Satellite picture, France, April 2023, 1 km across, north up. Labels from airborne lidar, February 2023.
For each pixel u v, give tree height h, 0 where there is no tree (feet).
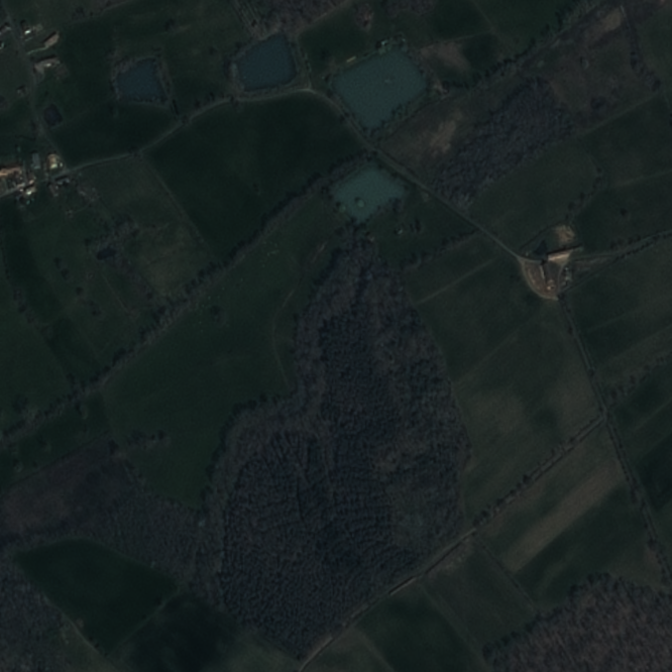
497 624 0
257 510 32
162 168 0
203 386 0
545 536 0
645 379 0
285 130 0
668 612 66
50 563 0
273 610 39
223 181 0
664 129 0
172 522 69
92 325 0
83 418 89
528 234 0
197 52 0
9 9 0
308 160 0
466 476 0
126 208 0
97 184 0
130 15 0
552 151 0
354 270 60
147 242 0
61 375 0
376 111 0
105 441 0
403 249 0
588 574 0
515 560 0
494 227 0
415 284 0
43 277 0
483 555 0
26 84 0
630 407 0
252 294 0
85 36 0
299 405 31
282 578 44
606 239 0
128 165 0
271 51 0
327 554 35
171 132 0
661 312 0
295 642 26
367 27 35
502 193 0
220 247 0
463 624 0
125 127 0
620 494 0
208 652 0
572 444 37
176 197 0
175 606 0
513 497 32
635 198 0
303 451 52
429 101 25
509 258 0
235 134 0
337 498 42
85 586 0
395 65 0
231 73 78
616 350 0
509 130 23
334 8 53
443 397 42
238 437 63
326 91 0
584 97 0
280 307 0
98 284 0
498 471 0
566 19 87
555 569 0
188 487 0
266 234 44
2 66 0
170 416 0
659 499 0
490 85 36
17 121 0
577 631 71
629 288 0
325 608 35
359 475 43
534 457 0
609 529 0
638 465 0
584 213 0
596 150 0
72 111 0
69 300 0
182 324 0
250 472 49
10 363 0
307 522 40
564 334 0
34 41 0
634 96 0
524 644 73
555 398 0
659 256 0
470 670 0
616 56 0
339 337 46
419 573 0
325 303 33
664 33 0
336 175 47
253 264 0
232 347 0
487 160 19
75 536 63
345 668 0
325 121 0
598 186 41
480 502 0
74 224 0
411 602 0
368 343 49
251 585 51
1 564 78
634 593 79
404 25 0
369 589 31
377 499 35
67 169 0
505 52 0
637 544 0
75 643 0
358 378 42
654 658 61
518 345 0
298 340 32
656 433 0
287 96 0
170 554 70
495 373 0
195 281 0
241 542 40
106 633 0
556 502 0
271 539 31
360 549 44
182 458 0
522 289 0
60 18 0
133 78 0
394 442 40
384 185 0
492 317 0
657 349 0
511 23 0
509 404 0
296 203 65
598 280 0
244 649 0
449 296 0
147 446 55
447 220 0
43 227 0
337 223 0
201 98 0
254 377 0
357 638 0
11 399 0
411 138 0
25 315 60
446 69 0
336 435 47
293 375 0
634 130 0
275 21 70
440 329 0
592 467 0
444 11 0
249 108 0
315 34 0
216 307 0
